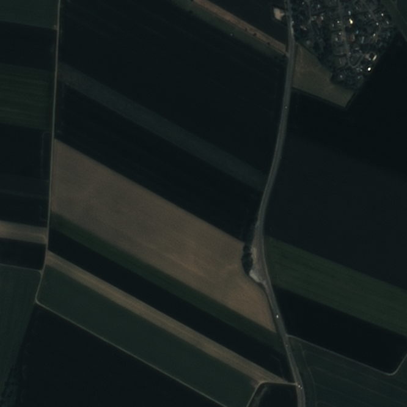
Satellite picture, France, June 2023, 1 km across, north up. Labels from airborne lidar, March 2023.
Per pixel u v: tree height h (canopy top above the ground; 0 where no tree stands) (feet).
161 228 0
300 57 0
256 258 0
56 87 0
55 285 0
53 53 0
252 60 0
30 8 0
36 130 0
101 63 0
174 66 0
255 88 0
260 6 0
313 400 0
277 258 0
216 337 0
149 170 0
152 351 0
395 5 0
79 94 0
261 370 0
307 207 0
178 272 0
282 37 0
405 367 0
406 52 0
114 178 0
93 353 0
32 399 0
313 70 0
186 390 0
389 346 0
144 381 0
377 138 0
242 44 0
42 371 0
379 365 0
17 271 0
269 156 0
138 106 0
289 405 0
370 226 0
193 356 0
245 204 0
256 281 0
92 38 0
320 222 0
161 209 0
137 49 0
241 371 0
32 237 0
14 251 0
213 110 0
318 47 82
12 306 0
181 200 0
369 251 0
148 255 0
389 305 0
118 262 0
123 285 0
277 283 0
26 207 0
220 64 0
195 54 0
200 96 0
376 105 0
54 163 0
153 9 0
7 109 0
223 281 0
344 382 0
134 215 0
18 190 0
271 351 0
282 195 0
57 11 0
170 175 0
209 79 0
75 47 0
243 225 0
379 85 0
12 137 0
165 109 0
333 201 0
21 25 0
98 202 0
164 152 0
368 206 0
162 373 0
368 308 0
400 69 0
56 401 0
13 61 0
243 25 0
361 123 0
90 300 0
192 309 0
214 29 0
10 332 0
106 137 0
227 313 0
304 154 0
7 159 0
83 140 0
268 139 0
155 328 0
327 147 0
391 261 0
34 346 0
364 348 0
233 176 0
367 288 0
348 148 0
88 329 0
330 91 0
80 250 0
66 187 0
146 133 0
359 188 0
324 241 0
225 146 0
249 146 0
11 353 0
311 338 0
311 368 0
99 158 0
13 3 0
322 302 0
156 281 0
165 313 0
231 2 0
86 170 0
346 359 0
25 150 0
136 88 0
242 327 0
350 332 0
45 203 0
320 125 0
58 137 0
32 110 0
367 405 0
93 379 0
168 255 0
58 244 0
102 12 0
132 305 0
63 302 0
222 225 0
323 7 25
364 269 0
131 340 0
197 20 0
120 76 0
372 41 0
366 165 0
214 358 0
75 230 0
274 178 0
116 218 0
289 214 0
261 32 0
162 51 0
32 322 0
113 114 0
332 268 0
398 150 0
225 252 0
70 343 0
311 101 0
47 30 0
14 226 0
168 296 0
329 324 0
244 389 0
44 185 0
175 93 0
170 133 0
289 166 0
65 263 0
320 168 0
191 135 0
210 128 0
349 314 0
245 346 0
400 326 0
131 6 0
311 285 0
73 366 0
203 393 0
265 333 0
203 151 0
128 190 0
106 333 0
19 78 0
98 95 0
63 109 0
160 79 0
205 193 0
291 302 0
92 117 0
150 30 0
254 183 0
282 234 0
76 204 0
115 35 0
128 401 0
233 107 0
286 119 0
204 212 0
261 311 0
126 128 0
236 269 0
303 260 0
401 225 0
